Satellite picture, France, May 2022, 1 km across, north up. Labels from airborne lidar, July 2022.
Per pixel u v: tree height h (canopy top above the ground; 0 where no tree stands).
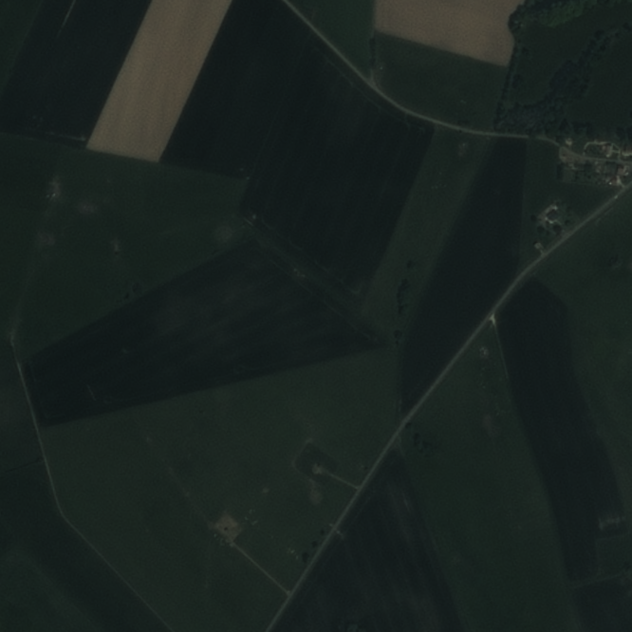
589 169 12
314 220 0
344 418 0
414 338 0
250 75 0
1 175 0
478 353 0
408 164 0
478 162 0
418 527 0
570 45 0
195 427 0
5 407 0
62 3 0
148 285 0
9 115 0
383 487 0
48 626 0
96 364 0
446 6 0
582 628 0
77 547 0
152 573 0
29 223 0
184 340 0
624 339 0
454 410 0
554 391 0
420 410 0
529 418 0
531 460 0
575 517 0
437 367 0
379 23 0
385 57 0
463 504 0
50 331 0
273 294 0
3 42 0
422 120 0
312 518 0
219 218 0
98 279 0
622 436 0
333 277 0
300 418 0
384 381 0
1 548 0
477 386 0
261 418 0
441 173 0
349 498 0
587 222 0
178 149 0
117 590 0
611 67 0
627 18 0
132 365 0
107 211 0
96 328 0
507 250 0
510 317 0
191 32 0
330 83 0
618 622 0
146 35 0
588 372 0
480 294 0
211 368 0
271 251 0
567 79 29
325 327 0
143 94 0
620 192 0
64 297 0
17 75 0
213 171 0
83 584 0
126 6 0
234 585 0
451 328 0
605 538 0
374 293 0
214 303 0
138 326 0
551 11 33
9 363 0
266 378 0
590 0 26
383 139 0
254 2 0
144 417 0
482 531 0
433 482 0
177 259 0
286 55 0
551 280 0
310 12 0
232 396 0
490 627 0
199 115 0
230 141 0
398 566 0
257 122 0
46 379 0
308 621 0
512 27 14
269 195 0
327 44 0
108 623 0
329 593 0
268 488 0
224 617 0
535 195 0
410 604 0
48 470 0
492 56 0
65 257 0
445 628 0
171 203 0
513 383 0
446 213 0
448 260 0
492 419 0
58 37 0
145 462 0
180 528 0
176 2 0
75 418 0
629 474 0
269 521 0
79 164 0
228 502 0
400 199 0
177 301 0
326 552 0
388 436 0
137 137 0
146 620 0
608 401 0
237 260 0
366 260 0
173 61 0
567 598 0
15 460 0
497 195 0
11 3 0
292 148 0
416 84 0
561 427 0
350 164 0
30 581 0
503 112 15
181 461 0
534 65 0
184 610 0
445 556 0
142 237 0
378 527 0
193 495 0
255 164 0
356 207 0
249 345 0
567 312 0
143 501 0
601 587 0
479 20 0
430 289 0
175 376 0
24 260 0
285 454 0
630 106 0
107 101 0
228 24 0
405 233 0
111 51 0
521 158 0
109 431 0
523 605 0
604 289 0
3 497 0
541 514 0
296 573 0
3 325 0
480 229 0
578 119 0
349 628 16
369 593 0
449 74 0
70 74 0
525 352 0
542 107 16
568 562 0
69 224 0
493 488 0
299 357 0
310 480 0
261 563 0
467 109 0
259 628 0
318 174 0
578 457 0
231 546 0
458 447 0
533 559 0
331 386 0
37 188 0
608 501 0
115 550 0
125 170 0
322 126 0
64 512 0
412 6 0
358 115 0
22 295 0
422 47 0
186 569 0
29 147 0
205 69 0
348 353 0
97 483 0
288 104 0
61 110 0
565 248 0
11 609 0
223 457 0
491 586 0
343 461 0
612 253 0
